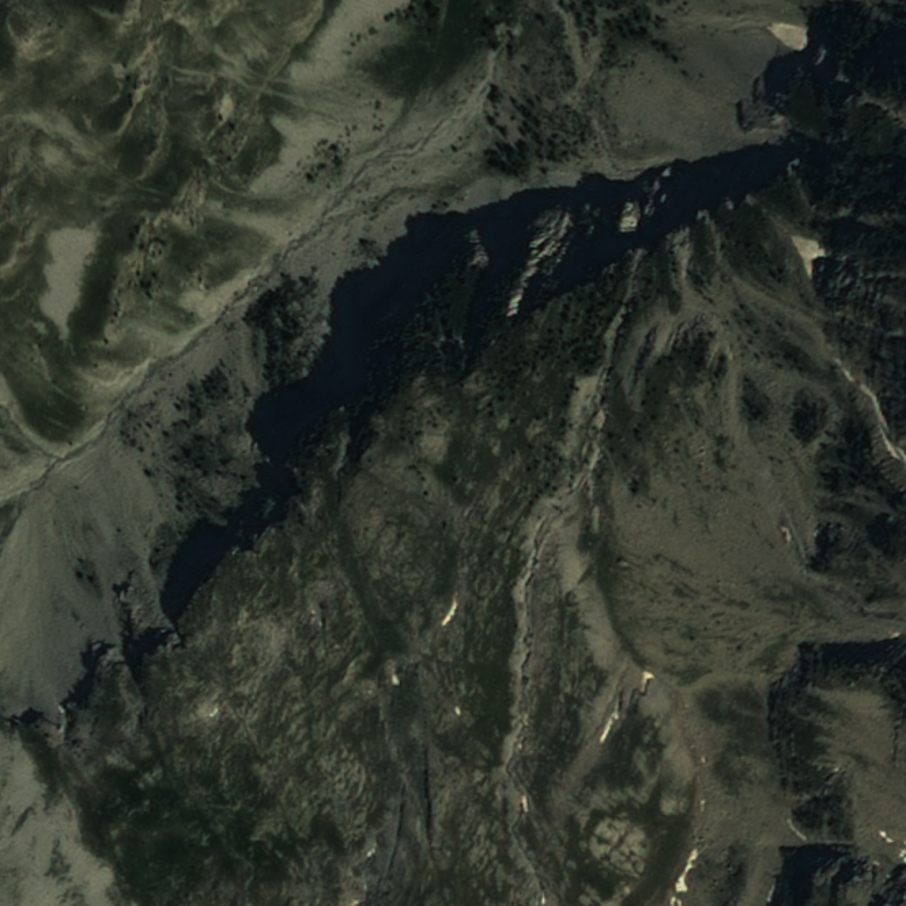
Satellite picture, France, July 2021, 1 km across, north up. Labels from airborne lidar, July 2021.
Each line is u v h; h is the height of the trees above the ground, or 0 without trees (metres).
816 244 0
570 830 0
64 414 0
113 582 0
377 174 0
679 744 0
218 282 0
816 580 0
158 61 0
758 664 0
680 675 0
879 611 0
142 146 0
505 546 0
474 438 0
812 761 0
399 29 0
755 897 0
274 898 0
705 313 0
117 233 0
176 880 0
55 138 0
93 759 0
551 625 0
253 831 0
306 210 0
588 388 0
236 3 0
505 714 0
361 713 0
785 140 0
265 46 0
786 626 0
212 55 0
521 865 0
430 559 0
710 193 0
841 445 0
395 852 0
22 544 0
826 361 0
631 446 0
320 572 0
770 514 0
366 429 8
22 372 0
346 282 0
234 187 0
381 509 0
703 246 0
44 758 0
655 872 0
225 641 0
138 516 0
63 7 0
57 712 0
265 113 0
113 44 0
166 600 0
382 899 0
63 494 0
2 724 0
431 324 17
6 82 0
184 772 0
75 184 0
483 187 0
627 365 0
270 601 0
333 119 0
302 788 0
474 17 0
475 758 0
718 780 0
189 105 0
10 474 0
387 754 0
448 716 0
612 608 0
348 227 0
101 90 0
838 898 0
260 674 0
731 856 0
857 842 0
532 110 18
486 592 0
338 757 0
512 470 0
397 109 0
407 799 0
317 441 9
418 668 0
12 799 0
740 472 0
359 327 0
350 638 0
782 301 0
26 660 0
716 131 0
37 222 0
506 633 0
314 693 0
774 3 0
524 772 0
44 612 0
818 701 0
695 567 0
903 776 0
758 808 0
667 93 0
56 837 0
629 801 0
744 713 0
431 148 0
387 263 0
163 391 0
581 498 0
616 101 0
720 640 0
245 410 0
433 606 0
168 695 0
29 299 0
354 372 0
